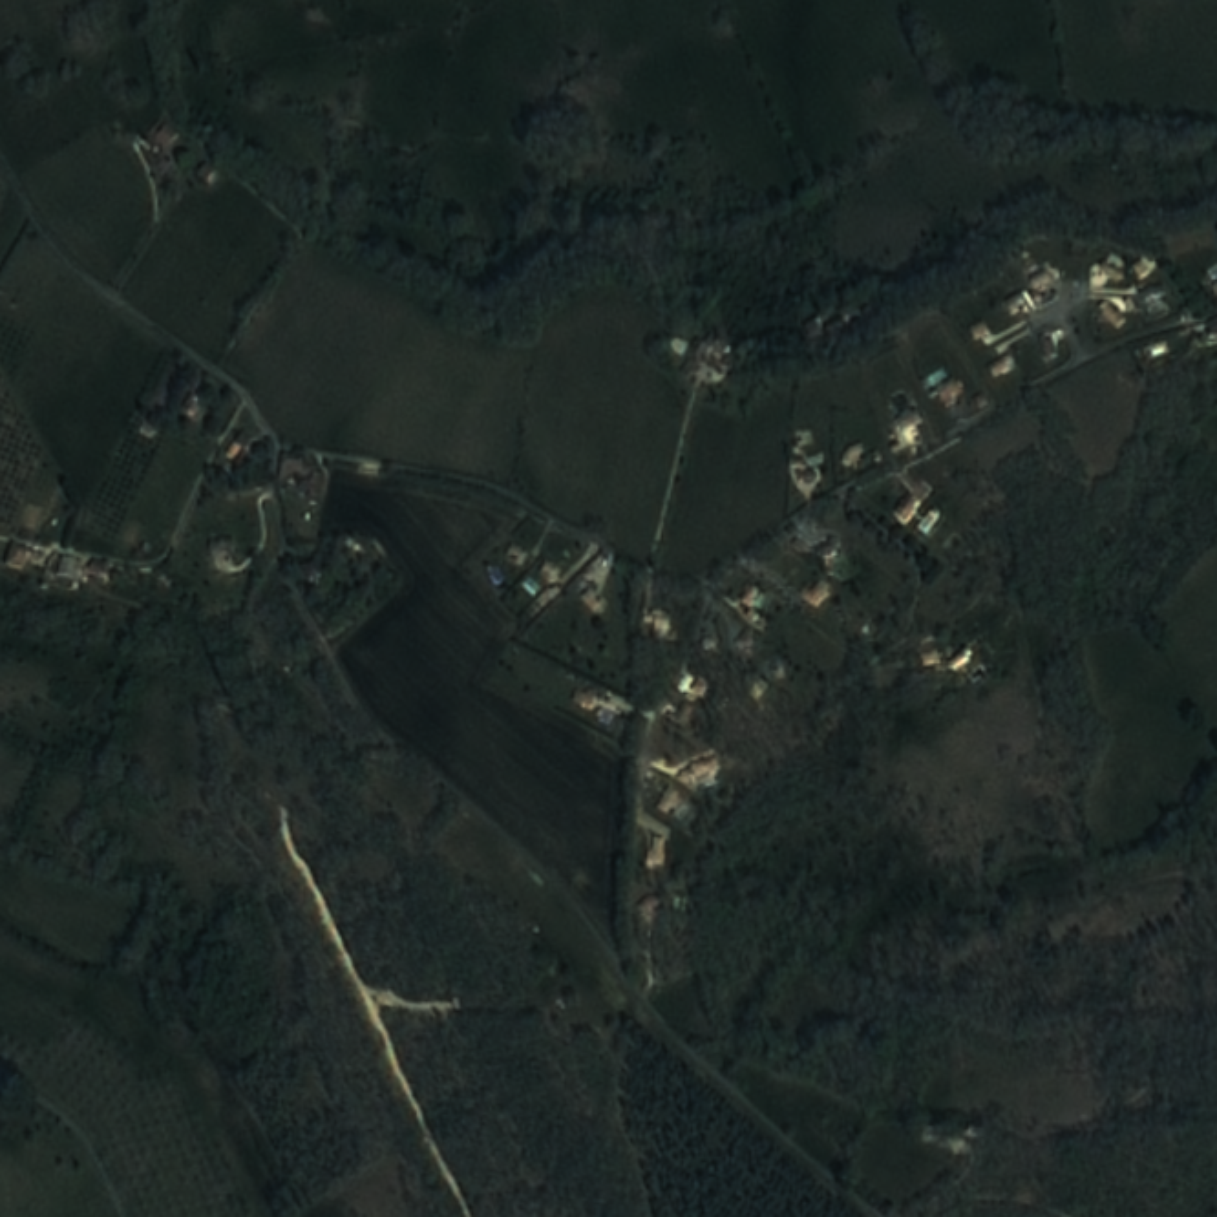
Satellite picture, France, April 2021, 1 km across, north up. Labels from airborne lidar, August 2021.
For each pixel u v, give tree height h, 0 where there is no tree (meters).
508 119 0
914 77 0
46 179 0
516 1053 10
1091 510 15
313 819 16
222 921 17
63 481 10
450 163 0
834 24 0
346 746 13
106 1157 12
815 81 0
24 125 0
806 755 15
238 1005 14
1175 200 0
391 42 0
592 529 13
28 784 6
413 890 14
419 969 16
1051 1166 9
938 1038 19
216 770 19
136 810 6
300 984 19
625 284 7
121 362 0
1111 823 0
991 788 0
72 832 19
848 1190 12
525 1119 11
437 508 0
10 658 6
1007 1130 13
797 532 9
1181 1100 8
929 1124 16
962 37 0
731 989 20
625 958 13
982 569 17
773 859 7
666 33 0
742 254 14
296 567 13
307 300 0
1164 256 12
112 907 0
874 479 12
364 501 0
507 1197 6
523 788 0
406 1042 8
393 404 0
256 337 0
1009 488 9
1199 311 9
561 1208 8
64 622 19
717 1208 15
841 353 9
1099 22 0
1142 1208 8
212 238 0
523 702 0
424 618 0
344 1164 12
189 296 0
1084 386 0
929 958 21
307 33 0
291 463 0
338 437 0
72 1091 10
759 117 0
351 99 15
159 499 0
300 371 0
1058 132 18
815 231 8
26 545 10
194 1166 13
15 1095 40
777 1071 19
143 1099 14
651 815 0
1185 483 6
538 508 0
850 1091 15
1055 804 18
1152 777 0
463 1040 12
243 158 24
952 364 0
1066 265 0
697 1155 11
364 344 0
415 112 0
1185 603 0
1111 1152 10
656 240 25
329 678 15
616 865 13
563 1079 9
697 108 0
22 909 0
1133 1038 13
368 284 0
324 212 21
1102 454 0
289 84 0
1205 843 17
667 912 14
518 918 13
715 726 12
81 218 0
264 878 19
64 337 0
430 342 0
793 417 6
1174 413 21
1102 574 23
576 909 0
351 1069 17
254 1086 9
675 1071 16
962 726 0
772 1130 0
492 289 20
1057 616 23
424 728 0
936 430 0
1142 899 0
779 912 23
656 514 0
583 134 21
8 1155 0
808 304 9
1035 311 0
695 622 10
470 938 12
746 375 14
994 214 13
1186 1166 13
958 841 10
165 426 8
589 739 0
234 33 0
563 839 0
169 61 25
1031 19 0
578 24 0
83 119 0
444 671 0
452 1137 21
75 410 0
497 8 0
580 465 0
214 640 14
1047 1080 0
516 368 0
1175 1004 15
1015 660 0
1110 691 0
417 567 0
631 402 0
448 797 10
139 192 0
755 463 0
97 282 0
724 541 0
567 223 20
